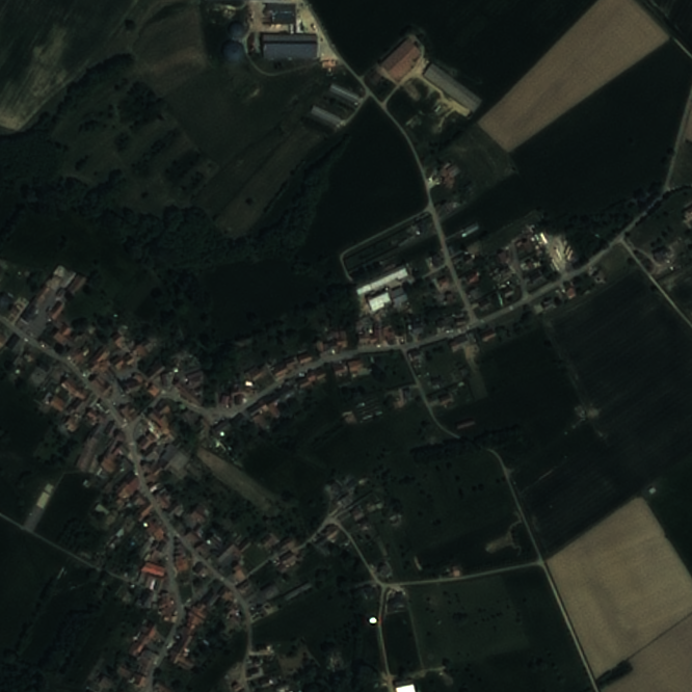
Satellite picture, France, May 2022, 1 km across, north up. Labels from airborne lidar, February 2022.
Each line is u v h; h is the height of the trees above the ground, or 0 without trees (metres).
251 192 0
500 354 0
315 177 16
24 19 0
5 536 0
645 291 0
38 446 0
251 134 0
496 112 0
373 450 0
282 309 0
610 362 0
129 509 8
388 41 0
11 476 0
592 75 0
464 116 0
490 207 0
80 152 0
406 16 0
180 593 0
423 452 12
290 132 0
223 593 0
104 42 0
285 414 14
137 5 0
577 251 0
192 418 0
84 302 0
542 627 0
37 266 0
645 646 0
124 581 0
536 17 0
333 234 0
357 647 6
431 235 0
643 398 0
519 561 0
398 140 0
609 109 0
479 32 0
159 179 0
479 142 0
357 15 0
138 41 0
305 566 0
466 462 0
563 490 0
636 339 0
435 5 0
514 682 0
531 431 0
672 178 0
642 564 0
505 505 0
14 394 0
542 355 0
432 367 0
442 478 0
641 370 0
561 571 0
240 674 0
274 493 0
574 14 0
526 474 0
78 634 12
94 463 0
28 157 19
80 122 0
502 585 0
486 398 0
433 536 0
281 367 0
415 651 0
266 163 0
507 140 0
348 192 0
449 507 0
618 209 8
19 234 0
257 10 0
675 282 0
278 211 0
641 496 0
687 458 0
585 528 0
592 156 0
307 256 0
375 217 0
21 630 0
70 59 0
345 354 0
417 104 0
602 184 0
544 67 0
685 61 0
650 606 0
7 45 0
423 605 0
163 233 22
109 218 34
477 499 0
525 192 0
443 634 0
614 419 0
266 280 0
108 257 0
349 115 0
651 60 0
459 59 0
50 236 0
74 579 0
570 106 0
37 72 0
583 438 0
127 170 0
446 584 0
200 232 21
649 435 0
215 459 0
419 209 0
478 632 0
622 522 0
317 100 0
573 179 0
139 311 0
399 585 0
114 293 0
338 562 0
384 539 0
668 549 0
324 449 0
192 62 0
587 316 0
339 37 0
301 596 11
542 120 0
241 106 0
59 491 0
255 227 0
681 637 0
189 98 0
